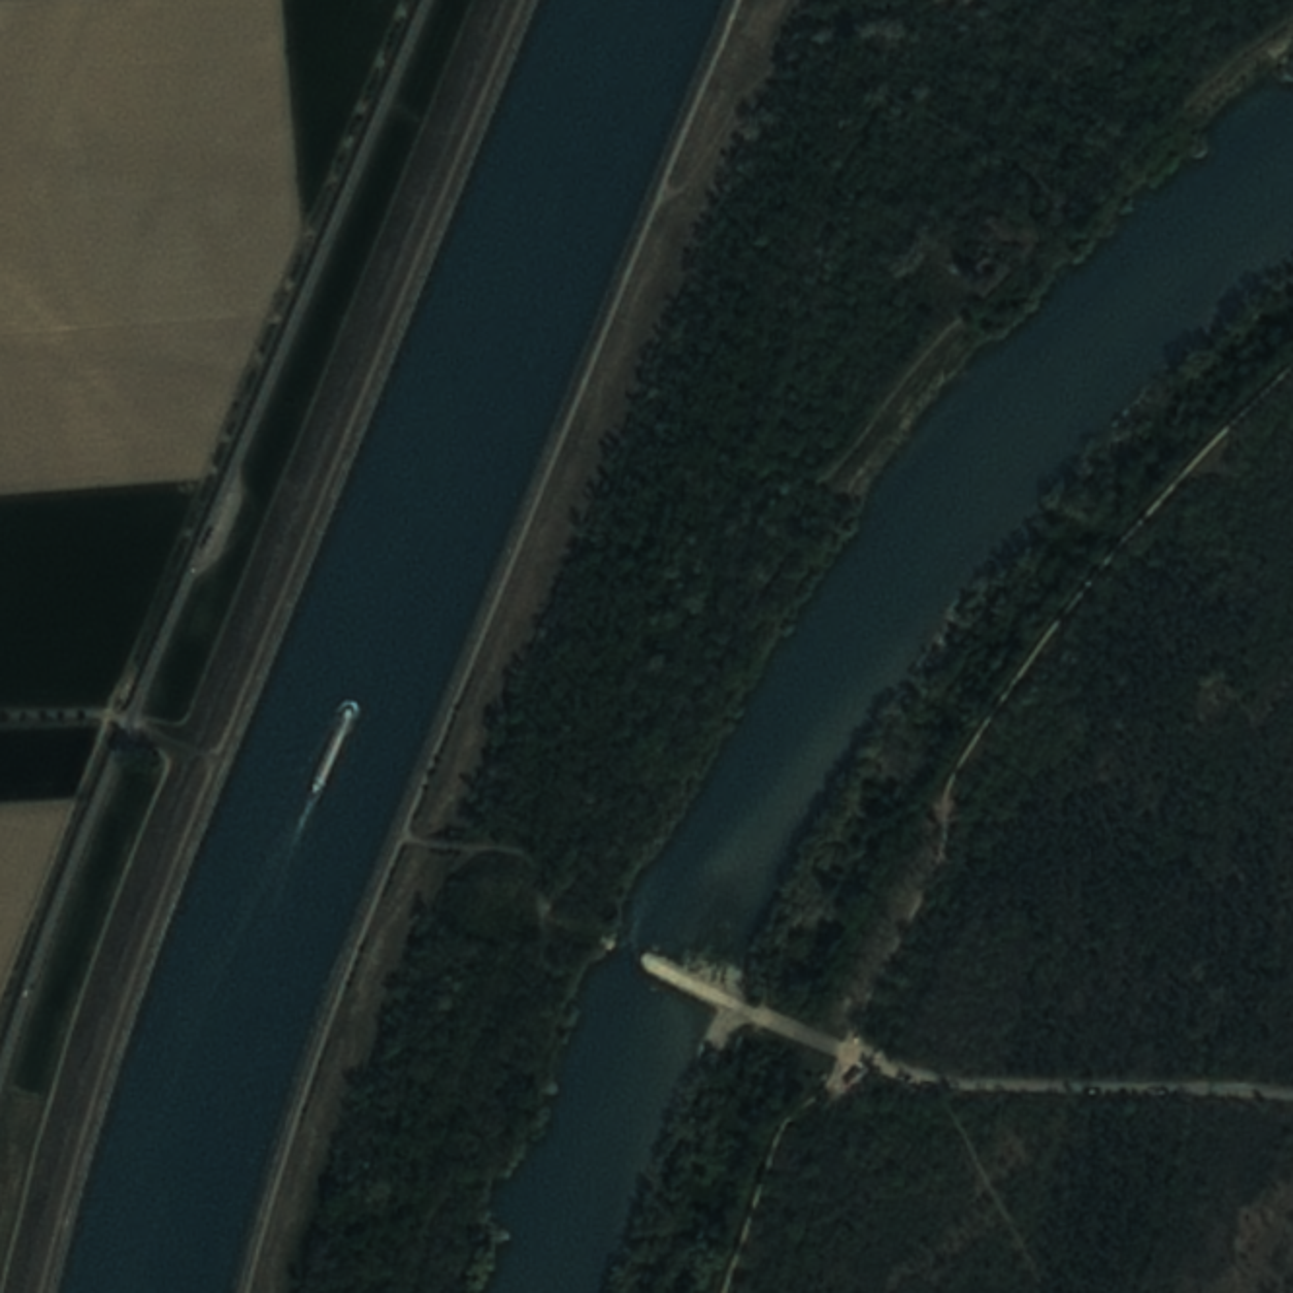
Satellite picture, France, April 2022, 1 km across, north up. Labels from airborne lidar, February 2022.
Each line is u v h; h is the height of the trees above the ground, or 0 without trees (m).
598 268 0
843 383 6
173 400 0
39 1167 0
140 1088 0
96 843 0
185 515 0
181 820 0
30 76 0
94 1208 0
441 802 0
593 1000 0
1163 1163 13
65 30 0
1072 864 19
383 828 0
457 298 0
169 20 0
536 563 0
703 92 0
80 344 0
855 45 8
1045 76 7
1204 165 0
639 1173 0
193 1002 0
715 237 18
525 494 0
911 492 0
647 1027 0
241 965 0
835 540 16
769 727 0
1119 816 18
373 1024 0
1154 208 0
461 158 0
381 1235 18
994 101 15
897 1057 14
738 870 0
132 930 0
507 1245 0
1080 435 0
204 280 0
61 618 0
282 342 0
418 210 0
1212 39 15
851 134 17
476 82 0
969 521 0
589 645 15
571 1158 0
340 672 0
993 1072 11
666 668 21
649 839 18
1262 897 17
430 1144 18
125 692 0
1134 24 14
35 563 0
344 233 0
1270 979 16
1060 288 0
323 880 0
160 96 0
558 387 0
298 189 0
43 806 0
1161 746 15
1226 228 0
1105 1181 17
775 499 17
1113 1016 15
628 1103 0
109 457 0
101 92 0
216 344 0
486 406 0
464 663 0
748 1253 14
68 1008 0
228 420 0
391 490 0
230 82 0
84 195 0
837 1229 12
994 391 0
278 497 0
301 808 0
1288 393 14
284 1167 0
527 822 15
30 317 0
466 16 0
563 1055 0
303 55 0
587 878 18
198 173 0
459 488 0
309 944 0
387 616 0
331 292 0
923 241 19
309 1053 0
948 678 20
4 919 0
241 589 0
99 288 0
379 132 0
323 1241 19
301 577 0
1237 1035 15
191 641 0
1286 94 0
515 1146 21
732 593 23
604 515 6
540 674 19
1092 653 13
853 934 15
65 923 0
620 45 0
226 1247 0
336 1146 10
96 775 0
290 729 0
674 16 0
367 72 0
